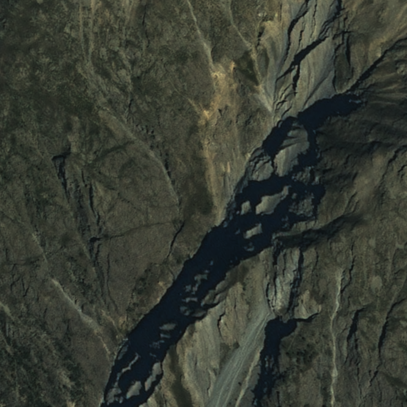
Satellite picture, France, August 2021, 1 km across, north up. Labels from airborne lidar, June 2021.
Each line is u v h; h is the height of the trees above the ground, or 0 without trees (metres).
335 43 0
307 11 0
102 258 0
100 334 0
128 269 0
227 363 0
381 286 0
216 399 0
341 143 0
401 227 0
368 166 0
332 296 0
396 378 0
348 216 0
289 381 0
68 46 0
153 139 0
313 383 0
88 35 0
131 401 0
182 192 0
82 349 0
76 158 0
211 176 0
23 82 0
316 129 0
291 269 0
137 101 0
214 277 0
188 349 0
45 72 0
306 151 0
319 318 0
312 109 0
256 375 0
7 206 0
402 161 0
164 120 0
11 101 0
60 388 13
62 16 0
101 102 0
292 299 0
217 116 0
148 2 0
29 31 0
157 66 0
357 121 0
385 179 0
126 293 0
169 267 0
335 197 0
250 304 0
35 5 0
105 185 0
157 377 0
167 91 0
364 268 0
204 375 0
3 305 0
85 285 7
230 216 0
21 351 8
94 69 0
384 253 0
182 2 0
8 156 0
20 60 0
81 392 7
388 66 0
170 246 0
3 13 0
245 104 0
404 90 0
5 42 0
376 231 0
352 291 0
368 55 0
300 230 0
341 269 0
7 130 0
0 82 0
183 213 0
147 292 0
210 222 0
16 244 0
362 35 0
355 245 0
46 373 8
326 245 0
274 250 0
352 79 0
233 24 0
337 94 0
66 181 0
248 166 0
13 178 0
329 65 0
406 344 0
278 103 0
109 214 0
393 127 0
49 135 0
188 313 0
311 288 0
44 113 0
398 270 0
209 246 0
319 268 0
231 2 0
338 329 0
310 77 0
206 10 0
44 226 0
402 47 0
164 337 0
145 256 0
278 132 0
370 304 0
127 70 0
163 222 0
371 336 0
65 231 0
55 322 0
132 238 0
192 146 0
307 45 0
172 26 0
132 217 0
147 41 0
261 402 34
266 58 0
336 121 0
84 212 0
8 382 6
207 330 0
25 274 0
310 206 0
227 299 0
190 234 0
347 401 0
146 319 0
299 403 0
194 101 0
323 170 0
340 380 0
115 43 0
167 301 0
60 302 0
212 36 0
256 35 0
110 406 0
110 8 0
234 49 0
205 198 0
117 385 0
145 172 0
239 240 0
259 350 0
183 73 0
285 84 0
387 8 0
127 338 0
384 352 0
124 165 0
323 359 0
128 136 0
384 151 0
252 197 0
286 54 0
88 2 0
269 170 0
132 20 0
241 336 0
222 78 0
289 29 0
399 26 0
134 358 0
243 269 0
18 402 0
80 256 7
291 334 0
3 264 0
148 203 0
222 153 0
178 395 0
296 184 0
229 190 0
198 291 0
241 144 0
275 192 0
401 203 0
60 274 0
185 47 0
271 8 0
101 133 0
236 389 0
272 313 0
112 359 0
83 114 0
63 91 0
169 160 0
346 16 0
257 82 0
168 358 0
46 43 0
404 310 0
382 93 0
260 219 0
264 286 0
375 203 0
